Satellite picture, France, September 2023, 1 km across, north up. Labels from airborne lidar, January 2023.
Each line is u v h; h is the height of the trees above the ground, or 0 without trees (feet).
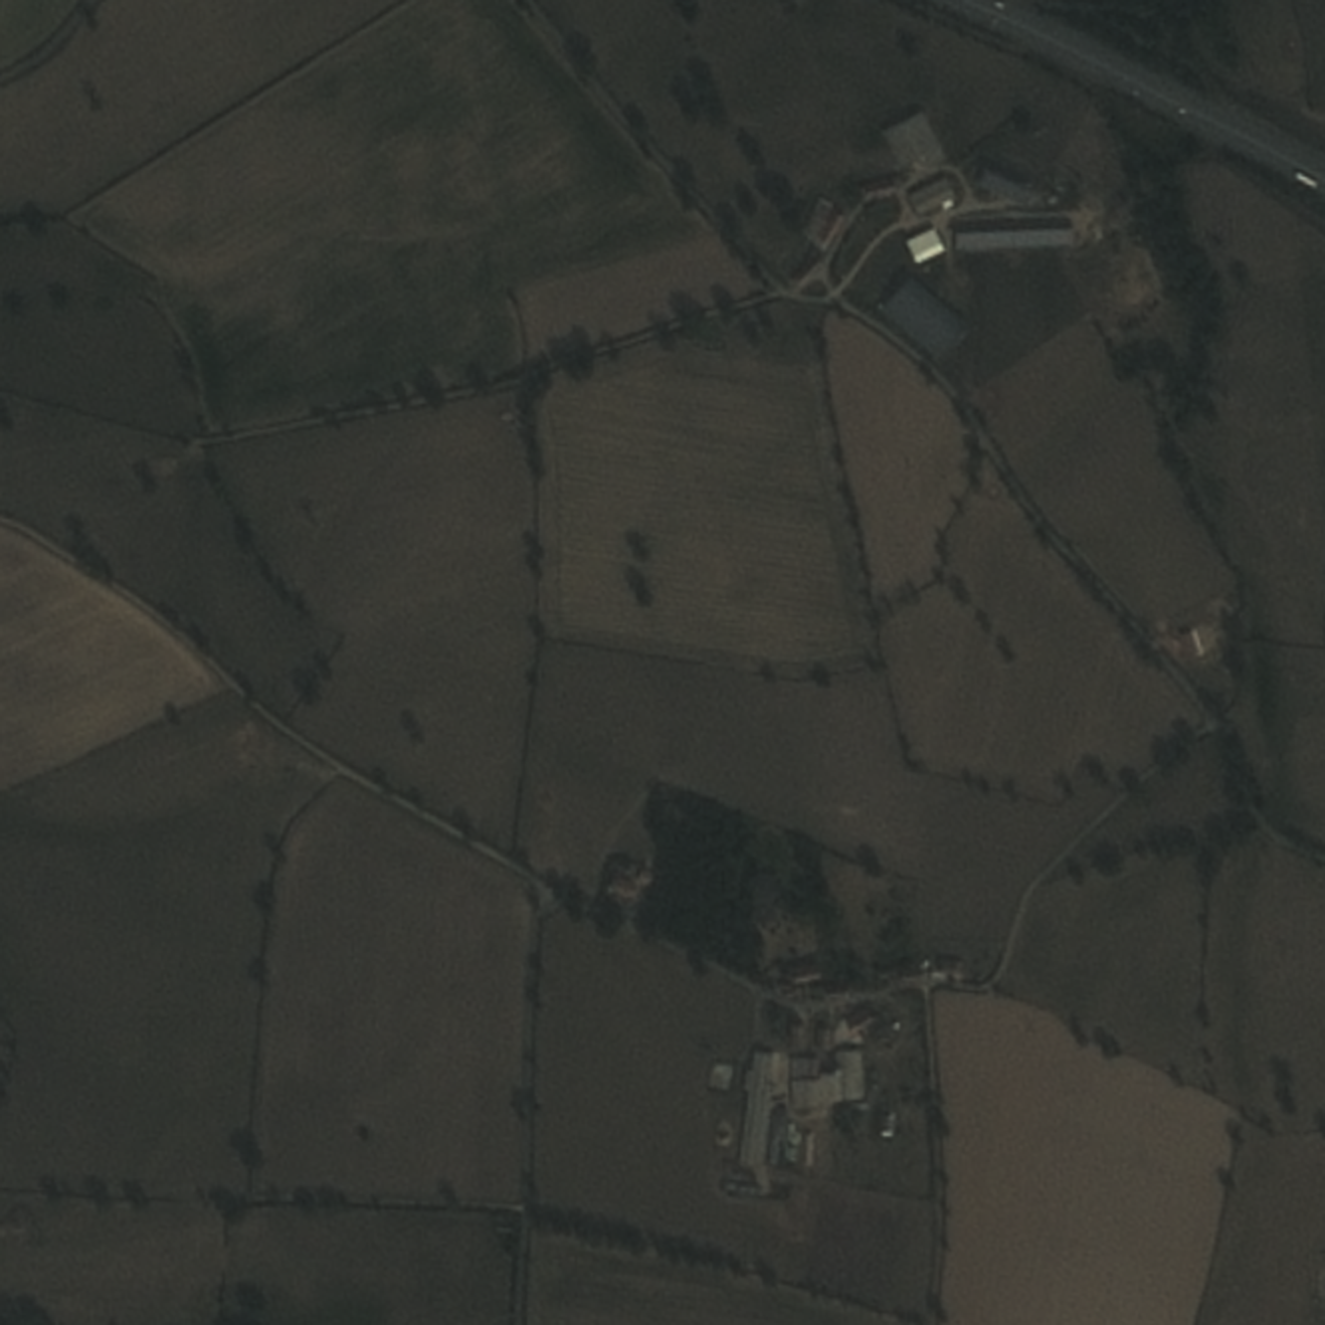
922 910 0
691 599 0
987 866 0
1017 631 0
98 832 0
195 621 0
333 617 0
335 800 0
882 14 0
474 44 0
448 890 0
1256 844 0
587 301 0
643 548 46
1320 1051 0
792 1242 0
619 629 0
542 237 0
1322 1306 0
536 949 0
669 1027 0
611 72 0
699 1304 0
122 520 0
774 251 0
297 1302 0
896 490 0
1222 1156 0
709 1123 0
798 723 0
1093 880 0
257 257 0
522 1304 0
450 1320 0
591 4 0
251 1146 54
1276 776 0
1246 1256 0
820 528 0
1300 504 0
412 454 0
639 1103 0
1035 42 0
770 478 0
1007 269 0
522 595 0
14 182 0
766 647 0
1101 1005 0
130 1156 0
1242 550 0
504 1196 0
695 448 0
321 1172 0
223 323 0
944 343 0
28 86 0
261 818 0
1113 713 0
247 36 0
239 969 0
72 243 0
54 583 0
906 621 0
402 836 0
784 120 0
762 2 0
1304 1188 0
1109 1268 0
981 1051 0
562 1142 0
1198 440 0
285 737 0
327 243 0
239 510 0
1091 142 0
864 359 0
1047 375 0
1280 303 0
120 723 0
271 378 0
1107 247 0
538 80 0
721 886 26
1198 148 24
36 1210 0
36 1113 0
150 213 0
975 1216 0
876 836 0
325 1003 0
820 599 0
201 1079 0
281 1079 0
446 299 0
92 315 0
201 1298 0
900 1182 0
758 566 0
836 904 0
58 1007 0
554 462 0
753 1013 0
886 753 0
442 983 0
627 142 0
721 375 0
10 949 0
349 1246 0
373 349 0
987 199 0
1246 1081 0
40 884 0
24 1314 51
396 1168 0
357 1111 0
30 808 0
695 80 49
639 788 0
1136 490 0
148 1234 0
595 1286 0
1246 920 0
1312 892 0
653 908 20
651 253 0
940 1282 0
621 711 0
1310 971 0
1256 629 0
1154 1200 0
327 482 0
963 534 0
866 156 0
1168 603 0
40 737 0
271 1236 0
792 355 0
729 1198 0
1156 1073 0
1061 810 0
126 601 0
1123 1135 0
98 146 0
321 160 0
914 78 0
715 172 0
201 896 0
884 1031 0
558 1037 0
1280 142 0
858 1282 0
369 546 0
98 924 0
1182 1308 0
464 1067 0
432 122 0
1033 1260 0
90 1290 0
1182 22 51
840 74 0
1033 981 0
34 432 0
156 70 0
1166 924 0
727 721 0
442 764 0
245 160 0
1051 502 0
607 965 0
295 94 0
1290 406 0
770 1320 0
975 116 0
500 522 0
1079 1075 0
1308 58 0
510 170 0
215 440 0
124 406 0
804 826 0
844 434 0
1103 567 0
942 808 0
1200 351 37
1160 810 0
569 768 0
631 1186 0
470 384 39
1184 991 0
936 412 0
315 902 0
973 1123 0
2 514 0
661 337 55
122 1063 0
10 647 0
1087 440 0
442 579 0
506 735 0
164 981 0
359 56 0
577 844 0
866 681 0
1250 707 0
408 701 0
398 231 0
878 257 0
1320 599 0
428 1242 0
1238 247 0
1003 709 0
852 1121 23
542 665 0
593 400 0
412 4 0
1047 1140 0
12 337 0
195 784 0
